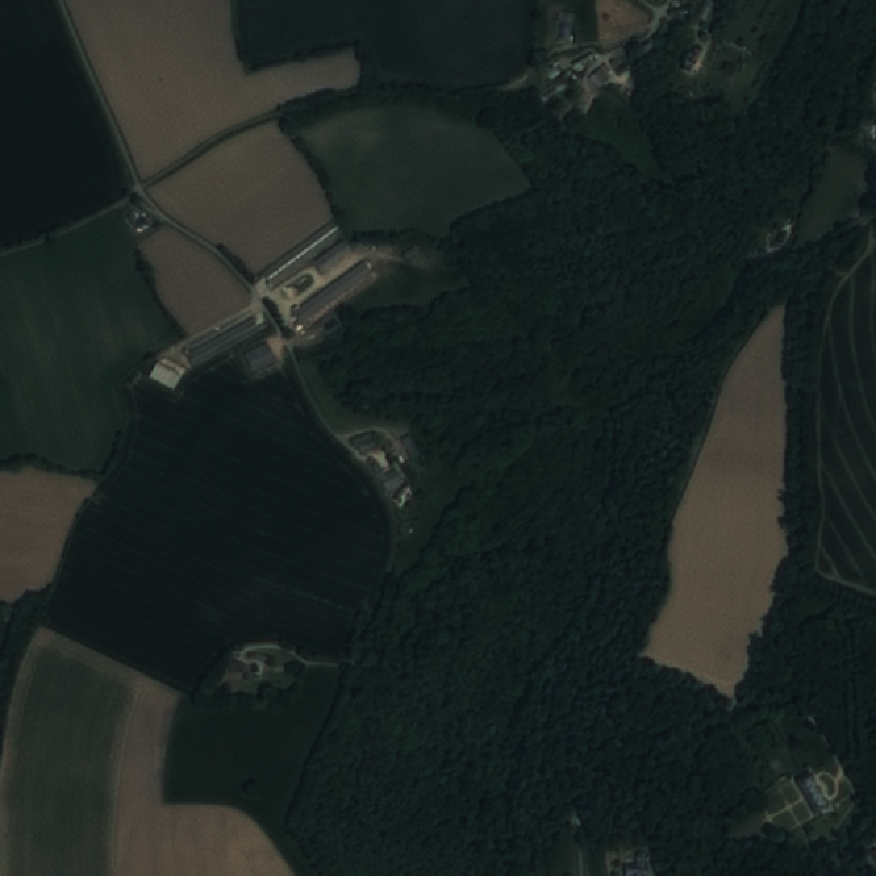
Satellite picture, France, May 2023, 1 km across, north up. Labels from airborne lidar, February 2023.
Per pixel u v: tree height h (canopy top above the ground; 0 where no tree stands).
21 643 12
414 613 18
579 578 8
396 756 19
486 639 20
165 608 0
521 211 15
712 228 21
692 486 0
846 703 26
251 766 0
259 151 0
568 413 10
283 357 0
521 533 13
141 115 0
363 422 0
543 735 20
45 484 0
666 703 27
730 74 12
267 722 0
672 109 19
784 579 21
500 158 0
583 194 25
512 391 9
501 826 17
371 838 21
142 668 0
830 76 21
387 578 11
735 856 20
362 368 9
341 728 21
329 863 22
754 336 0
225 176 0
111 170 0
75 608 0
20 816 0
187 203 0
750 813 24
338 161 0
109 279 0
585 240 26
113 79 0
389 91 17
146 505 0
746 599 0
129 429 0
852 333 0
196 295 0
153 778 0
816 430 0
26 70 0
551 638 8
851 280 0
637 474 20
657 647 0
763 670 27
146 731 0
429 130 0
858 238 16
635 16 0
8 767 0
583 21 0
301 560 0
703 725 20
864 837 23
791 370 22
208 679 17
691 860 24
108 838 0
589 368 13
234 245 0
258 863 0
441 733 12
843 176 0
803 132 25
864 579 0
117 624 0
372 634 18
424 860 18
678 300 19
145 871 0
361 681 21
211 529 0
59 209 0
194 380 0
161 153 0
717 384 16
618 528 24
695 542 0
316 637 0
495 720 12
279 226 0
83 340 0
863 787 18
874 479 0
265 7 0
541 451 22
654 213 30
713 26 13
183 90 0
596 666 25
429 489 0
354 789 32
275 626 0
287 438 0
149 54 0
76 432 0
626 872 0
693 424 18
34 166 0
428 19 0
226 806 0
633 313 24
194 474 0
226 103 0
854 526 0
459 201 0
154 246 0
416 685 22
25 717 0
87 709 0
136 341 0
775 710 21
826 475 0
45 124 0
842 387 0
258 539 0
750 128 22
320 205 0
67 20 0
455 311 20
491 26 0
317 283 0
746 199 33
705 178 23
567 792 26
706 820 24
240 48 8
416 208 0
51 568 0
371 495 0
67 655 0
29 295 0
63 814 0
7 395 0
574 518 11
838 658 19
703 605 0
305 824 17
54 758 0
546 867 13
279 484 0
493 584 21
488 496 12
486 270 14
